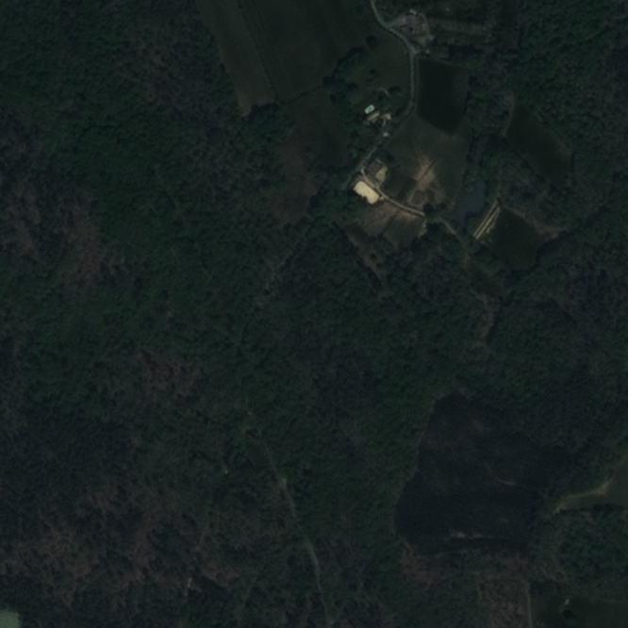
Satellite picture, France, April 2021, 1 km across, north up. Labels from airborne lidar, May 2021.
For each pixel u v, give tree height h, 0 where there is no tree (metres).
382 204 0
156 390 9
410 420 20
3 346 6
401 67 0
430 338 20
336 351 21
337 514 16
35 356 13
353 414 16
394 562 18
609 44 14
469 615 13
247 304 22
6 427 13
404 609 15
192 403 19
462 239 15
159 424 18
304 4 0
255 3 0
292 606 9
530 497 9
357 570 14
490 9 10
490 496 7
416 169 0
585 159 19
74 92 23
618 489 0
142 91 15
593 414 20
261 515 14
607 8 19
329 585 14
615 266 16
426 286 22
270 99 0
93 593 14
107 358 18
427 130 0
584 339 12
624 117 19
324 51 0
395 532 10
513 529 6
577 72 14
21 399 10
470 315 13
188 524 19
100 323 15
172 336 19
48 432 27
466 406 8
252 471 29
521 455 7
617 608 0
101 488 22
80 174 18
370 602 10
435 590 9
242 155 18
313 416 9
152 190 23
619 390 14
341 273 17
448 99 0
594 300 20
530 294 18
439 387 19
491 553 12
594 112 18
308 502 27
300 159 0
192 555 12
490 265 19
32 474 24
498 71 18
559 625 0
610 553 20
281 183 16
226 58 0
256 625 7
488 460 8
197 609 25
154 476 12
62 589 10
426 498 7
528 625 7
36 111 14
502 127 10
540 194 20
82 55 28
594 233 23
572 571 17
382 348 19
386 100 13
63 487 23
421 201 0
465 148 0
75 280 7
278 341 20
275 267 15
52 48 19
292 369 22
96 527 19
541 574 12
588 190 17
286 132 17
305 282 17
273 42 0
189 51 14
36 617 18
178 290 15
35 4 15
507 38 0
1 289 20
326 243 21
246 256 15
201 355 23
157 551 17
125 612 26
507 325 12
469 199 0
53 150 16
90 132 17
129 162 17
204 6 0
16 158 10
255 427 18
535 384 20
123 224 17
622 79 6
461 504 9
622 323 17
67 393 13
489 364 13
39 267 22
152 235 16
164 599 17
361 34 0
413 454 18
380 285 23
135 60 16
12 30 21
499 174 17
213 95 11
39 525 25
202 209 13
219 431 8
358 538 17
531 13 13
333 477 23
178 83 18
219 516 13
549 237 6
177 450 21
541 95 22
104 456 27
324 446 20
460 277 21
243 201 17
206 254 23
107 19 20
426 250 20
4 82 24
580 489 19
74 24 21
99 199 17
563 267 15
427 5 13
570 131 16
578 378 20
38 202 8
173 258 17
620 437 19
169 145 15
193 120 13
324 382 22
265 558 16
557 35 13
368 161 8
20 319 12
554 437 19
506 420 18
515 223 0
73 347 15
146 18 23
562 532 11
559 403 21
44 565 25
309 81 0
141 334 14
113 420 13
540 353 18
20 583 16
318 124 0
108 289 17
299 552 17
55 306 21
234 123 15
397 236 0
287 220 0
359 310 17
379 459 16
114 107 23
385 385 18
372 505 22
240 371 25
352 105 17
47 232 22
